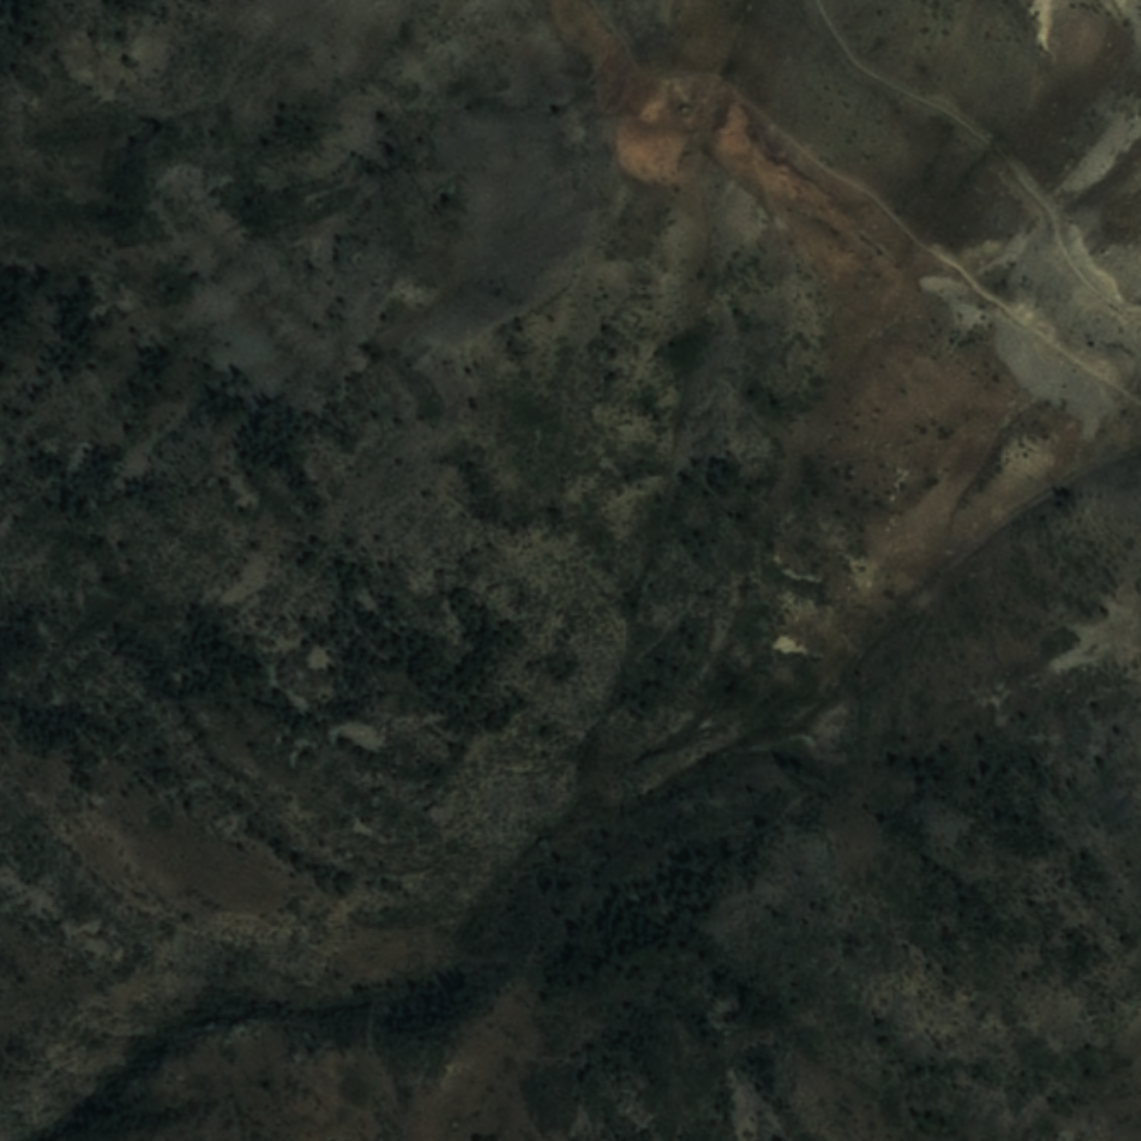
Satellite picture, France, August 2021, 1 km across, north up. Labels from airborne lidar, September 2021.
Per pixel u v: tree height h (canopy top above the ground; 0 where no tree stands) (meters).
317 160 0
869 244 0
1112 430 0
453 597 8
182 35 0
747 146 0
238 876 0
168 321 0
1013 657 0
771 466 0
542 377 0
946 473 0
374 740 0
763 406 0
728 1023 7
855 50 0
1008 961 0
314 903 0
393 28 0
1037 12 0
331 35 0
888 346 0
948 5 0
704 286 0
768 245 0
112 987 0
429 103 0
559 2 0
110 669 0
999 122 0
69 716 6
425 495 7
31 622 10
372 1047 0
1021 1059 0
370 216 0
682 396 0
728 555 0
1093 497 0
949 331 0
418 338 0
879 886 0
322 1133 0
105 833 0
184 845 0
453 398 0
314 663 0
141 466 0
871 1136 0
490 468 0
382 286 0
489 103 0
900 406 0
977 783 9
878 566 0
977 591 0
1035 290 0
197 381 0
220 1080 0
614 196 0
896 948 0
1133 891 0
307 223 0
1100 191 0
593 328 0
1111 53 0
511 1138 0
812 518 0
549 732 8
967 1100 0
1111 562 0
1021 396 0
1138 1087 0
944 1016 0
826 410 0
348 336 0
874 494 0
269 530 0
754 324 0
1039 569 0
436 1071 0
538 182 0
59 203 0
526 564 0
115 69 0
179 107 0
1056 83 0
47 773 0
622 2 0
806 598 0
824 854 0
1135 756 0
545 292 0
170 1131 0
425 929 0
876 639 0
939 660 0
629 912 7
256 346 0
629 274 0
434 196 0
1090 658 0
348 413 0
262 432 14
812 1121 0
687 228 0
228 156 0
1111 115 0
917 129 0
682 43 0
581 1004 0
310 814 0
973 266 0
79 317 13
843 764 0
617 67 0
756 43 0
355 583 13
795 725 0
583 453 0
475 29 0
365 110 0
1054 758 0
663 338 0
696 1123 0
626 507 0
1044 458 0
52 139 0
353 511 0
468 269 0
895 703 0
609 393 0
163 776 7
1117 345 0
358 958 0
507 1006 0
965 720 0
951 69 0
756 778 0
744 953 0
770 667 0
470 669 15
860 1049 0
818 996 0
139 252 0
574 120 0
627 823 0
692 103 0
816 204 0
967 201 0
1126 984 0
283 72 0
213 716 0
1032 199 0
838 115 0
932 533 0
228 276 0
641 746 0
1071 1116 0
